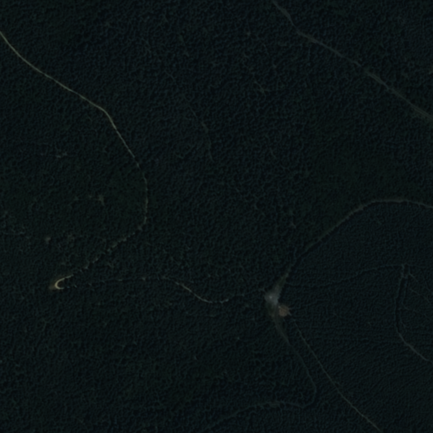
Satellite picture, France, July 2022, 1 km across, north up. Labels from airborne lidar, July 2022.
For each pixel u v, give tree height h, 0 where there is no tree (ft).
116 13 103
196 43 50
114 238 45
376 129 73
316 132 43
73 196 53
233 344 80
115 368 60
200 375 51
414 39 83
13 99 42
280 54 25
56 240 33
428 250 73
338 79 51
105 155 59
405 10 69
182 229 57
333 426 74
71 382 84
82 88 83
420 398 31
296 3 71
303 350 71
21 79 51
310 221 41
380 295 51
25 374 37
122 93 66
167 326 71
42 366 60
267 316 40
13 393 53
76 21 97
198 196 55
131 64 82
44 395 61
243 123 56
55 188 40
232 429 74
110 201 53
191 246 56
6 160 29
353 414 60
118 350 81
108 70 67
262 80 83
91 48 73
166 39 71
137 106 84
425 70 50
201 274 27
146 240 52
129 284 58
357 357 46
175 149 80
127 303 43
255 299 61
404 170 35
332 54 56
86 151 48
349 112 77
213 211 61
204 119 62
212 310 67
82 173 54
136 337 68
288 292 66
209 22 88
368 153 57
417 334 49
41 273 49
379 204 52
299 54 48
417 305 40
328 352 54
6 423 73
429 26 80
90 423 74
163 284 62
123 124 88
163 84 66
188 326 67
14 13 57
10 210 36
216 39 65
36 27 62
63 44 70
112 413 78
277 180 43
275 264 73
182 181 82
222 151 64
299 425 60
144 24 78
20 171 37
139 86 63
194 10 95
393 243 71
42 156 36
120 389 71
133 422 91
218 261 36
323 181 36
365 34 55
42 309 43
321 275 73
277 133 89
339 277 63
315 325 61
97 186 45
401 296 50
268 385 51
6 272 51
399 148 87
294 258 71
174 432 87
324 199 35
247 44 53
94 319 49
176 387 58
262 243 40
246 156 58
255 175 66
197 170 65
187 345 53
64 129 37
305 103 39
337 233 42
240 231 55
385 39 112
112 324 49
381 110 45
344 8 62
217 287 65
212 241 51
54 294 43
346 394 47
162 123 61
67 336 67
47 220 52
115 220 51
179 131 66
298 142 43
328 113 63
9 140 35
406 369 40
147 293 65
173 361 84
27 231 48
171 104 68
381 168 39
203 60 65
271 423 69
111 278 61
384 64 95
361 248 60
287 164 53
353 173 42
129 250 40
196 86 87
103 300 43
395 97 51
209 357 71
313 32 82
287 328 38
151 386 55
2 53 61
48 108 56
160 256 47
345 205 36
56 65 72
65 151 31
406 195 53
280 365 94
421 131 52
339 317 45
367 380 52
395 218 66
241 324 54
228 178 60
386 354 52
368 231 52
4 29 67
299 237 61
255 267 52
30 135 37
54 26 80
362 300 56
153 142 60
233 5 89
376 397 54
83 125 53
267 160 68
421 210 53
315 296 54
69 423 63
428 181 75
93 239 42
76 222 66
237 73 80
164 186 62
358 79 67
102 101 69
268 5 55
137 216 43
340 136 37
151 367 60
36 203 49
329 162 39
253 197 72
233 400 80
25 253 53
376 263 60
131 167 42
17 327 57
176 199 54
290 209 33
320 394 63
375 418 59
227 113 52
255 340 79
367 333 58
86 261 28
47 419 57
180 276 59
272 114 64
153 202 48
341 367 48
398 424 70
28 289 64
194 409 70
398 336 56
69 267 39
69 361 54
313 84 72
